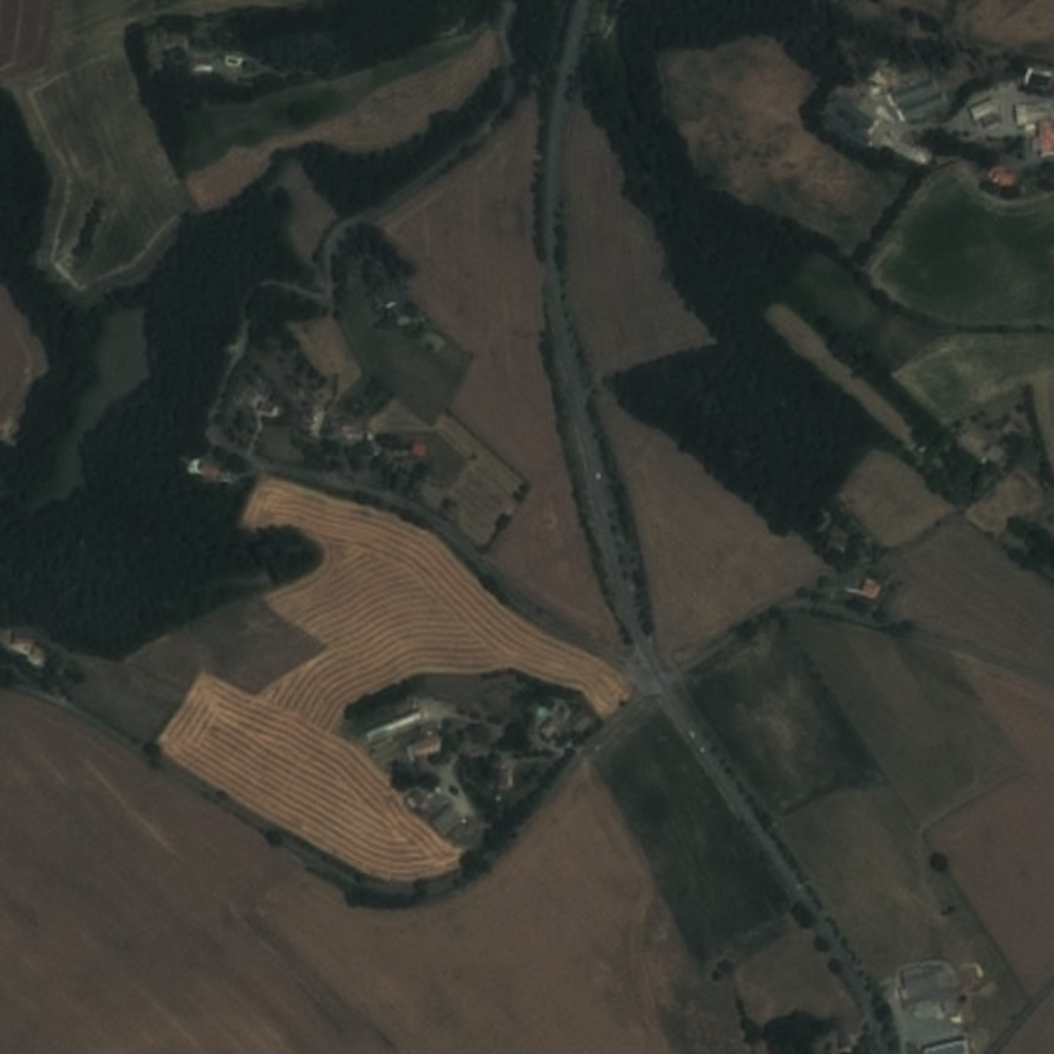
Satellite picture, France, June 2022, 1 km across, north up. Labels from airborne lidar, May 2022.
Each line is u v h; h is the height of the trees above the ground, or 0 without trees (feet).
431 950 0
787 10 60
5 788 0
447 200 0
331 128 0
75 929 0
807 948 0
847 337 62
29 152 65
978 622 0
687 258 50
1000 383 0
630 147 31
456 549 0
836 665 0
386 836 0
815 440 19
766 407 59
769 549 0
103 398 0
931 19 43
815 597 28
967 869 0
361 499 47
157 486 62
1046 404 0
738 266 54
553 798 0
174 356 65
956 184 0
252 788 0
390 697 34
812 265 0
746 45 0
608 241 0
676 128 32
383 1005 0
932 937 0
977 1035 0
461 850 0
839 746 0
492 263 0
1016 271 0
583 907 0
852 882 0
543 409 0
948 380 0
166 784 0
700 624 0
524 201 0
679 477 0
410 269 47
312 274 44
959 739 0
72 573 46
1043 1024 0
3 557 58
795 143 0
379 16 49
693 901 0
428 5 44
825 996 0
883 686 0
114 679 0
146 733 0
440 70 0
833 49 76
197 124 0
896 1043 35
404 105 0
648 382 59
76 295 0
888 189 0
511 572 0
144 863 0
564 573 0
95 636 39
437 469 0
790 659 0
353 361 0
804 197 0
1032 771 0
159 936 0
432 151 36
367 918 0
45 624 37
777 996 0
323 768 0
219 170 0
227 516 27
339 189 65
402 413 0
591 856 0
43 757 0
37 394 66
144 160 0
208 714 0
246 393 0
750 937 0
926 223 0
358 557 0
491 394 0
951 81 0
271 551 103
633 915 0
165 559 76
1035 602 0
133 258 0
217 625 0
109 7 0
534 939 0
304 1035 0
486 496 0
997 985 0
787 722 0
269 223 60
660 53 36
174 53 46
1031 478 0
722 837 0
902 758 0
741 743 0
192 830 0
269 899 0
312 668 0
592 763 0
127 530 84
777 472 66
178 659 0
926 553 0
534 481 0
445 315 0
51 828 0
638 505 0
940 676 0
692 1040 0
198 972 0
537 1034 0
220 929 0
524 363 0
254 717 0
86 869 0
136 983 0
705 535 0
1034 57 23
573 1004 0
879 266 0
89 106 0
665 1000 0
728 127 0
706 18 76
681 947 0
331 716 0
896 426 0
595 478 0
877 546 24
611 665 0
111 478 72
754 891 0
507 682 0
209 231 60
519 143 0
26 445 67
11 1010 0
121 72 0
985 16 0
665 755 0
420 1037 0
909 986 0
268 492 0
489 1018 0
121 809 0
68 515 99
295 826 0
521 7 59
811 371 70
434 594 0
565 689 29
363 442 21
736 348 33
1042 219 0
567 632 0
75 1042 0
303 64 52
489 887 0
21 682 20
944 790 0
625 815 0
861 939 0
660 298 0
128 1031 0
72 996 0
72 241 0
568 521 0
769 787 0
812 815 0
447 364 0
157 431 63
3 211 65
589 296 0
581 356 25
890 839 0
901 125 0
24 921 0
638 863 0
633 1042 0
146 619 62
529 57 76
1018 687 0
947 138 37
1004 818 0
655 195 94
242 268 53
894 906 0
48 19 0
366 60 63
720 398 45
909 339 0
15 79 0
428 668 0
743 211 68
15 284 61
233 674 0
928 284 0
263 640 0
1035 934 0
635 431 0
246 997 0
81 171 0
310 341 0
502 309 0
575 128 0
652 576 0
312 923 0
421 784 50
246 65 50
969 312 0
